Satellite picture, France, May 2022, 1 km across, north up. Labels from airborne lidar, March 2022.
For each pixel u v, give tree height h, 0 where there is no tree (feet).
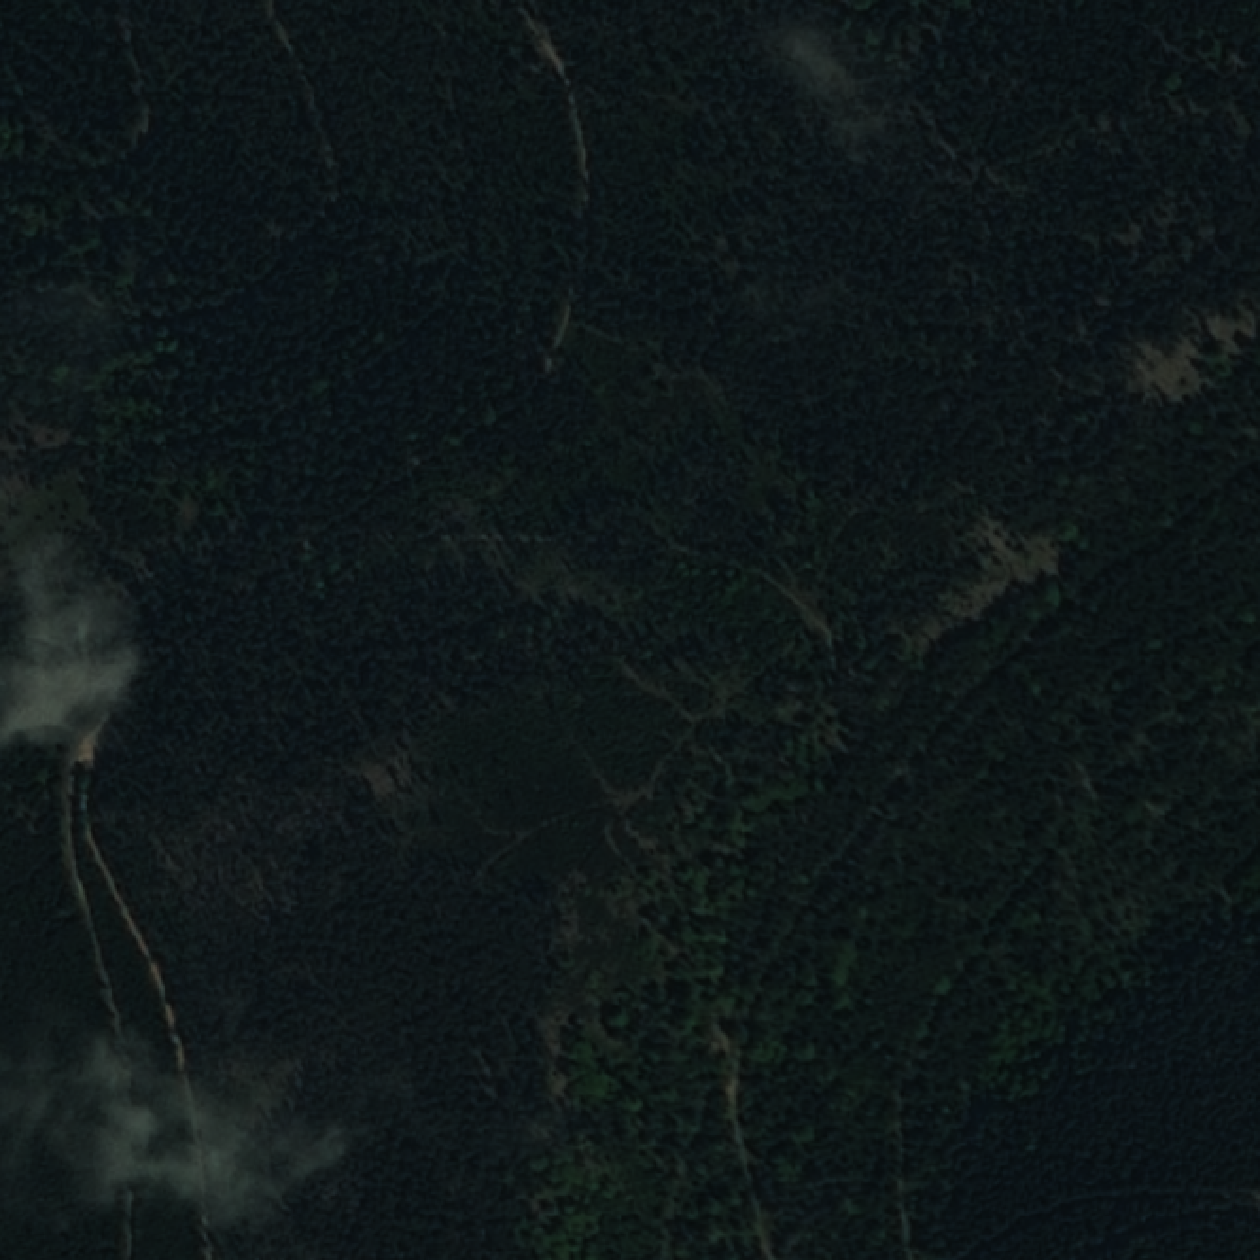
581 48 37
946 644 67
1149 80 32
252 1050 73
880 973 56
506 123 18
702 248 27
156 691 45
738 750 70
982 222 21
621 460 75
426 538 80
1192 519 73
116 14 84
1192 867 51
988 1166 102
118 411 93
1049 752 89
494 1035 78
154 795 86
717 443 82
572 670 86
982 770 57
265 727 105
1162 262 65
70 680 50
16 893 37
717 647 73
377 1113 73
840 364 67
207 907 77
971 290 88
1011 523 50
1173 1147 75
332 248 65
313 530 53
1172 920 51
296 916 86
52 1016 30
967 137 20
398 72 73
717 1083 37
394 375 88
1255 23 64
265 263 69
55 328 99
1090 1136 79
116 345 26
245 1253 89
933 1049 67
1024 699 80
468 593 83
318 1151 80
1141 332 87
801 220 89
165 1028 98
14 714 49
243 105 94
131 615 41
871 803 48
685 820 71
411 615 89
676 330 62
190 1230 24
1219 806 66
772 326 41
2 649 33
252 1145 81
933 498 76
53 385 30
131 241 30
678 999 85
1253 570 73
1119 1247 102
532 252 92
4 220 117
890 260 82
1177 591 80
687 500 89
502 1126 61
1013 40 103
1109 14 52
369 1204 79
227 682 90
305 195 89
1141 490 84
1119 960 33
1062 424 83
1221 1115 74
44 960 34
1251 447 48
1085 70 41
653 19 92
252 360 87
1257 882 75
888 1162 72
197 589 103
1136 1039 87
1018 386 39
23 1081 31
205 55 98
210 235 86
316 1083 74
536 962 71
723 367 66
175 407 82
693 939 57
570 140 23
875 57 59
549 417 73
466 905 71
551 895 80
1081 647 81
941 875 73
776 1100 72
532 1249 62
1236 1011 81
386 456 56
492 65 33
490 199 87
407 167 82
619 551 78
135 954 39
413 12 75
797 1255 84
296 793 90
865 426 37
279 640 107
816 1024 60
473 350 66
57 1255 31
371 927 64
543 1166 78
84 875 39
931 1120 75
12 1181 23
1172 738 89
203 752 92
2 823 21
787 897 52
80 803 29
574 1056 66
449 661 27
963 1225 81
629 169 79
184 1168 24
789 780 80
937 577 48
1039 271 29
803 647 26
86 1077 25
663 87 29
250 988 74
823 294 85
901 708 83
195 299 85
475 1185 65
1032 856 72
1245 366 80
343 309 88
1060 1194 79
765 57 86
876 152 91
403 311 60
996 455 47
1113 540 77
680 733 22
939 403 38
